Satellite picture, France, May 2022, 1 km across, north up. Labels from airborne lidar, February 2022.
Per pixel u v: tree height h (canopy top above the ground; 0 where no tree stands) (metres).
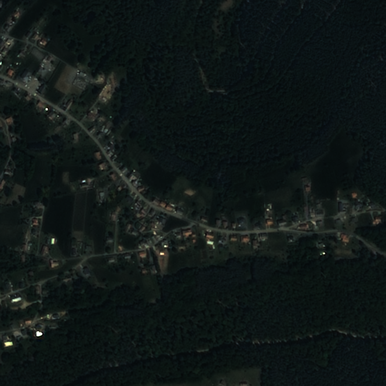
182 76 27
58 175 0
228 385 0
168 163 21
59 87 0
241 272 27
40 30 0
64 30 15
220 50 0
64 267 0
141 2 25
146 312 17
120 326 24
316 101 16
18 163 12
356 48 18
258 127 18
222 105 21
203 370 29
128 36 21
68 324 18
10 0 7
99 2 33
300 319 26
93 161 15
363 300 26
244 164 24
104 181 0
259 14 19
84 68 0
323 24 12
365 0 11
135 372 28
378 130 21
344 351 26
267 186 0
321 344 32
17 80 0
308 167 0
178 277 24
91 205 0
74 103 7
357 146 0
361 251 9
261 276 23
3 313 12
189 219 0
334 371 22
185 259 0
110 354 26
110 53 22
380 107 21
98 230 0
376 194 18
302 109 14
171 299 24
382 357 25
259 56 19
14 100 0
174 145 18
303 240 17
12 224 0
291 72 11
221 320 32
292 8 18
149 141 27
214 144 19
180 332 31
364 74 22
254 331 25
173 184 0
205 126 13
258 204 0
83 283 21
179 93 30
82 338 32
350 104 23
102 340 29
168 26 15
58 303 21
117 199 0
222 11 7
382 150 22
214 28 0
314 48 15
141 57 10
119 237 0
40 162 0
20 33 0
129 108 27
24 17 0
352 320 31
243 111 16
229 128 22
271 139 18
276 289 23
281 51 17
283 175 0
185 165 24
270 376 23
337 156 0
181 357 27
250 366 25
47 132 0
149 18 23
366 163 15
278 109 16
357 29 19
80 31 0
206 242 0
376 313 29
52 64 7
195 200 0
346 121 21
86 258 0
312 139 18
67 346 32
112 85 0
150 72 38
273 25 19
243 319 23
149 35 24
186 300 26
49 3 0
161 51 33
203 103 21
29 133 0
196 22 11
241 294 26
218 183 21
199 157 17
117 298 15
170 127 10
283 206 0
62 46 0
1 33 0
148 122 25
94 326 24
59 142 20
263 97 14
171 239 0
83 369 26
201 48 33
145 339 21
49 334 20
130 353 23
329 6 15
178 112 18
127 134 0
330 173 0
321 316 28
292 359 26
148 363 30
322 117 9
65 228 0
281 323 27
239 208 0
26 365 28
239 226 0
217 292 20
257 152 20
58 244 0
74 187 0
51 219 0
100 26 21
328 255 10
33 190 0
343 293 24
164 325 29
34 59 0
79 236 0
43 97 0
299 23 19
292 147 17
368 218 0
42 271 0
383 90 21
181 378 19
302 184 0
